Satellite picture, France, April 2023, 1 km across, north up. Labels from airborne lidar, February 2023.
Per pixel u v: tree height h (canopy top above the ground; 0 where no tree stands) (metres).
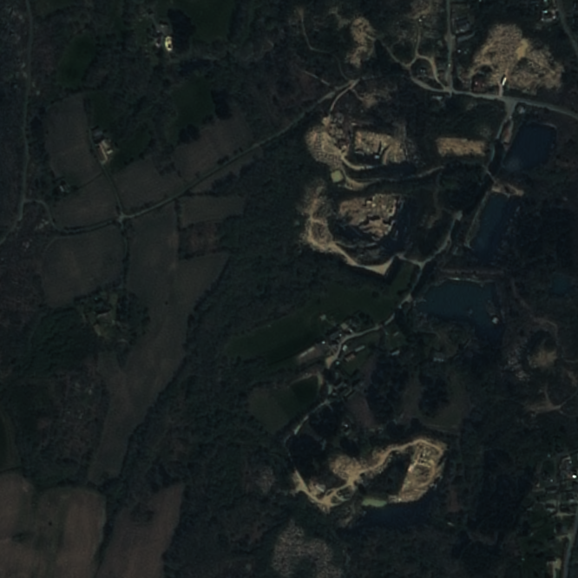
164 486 15
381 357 18
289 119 13
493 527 13
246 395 8
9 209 8
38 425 0
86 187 0
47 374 6
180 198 0
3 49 11
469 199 24
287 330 0
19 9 0
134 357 0
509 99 0
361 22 0
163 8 0
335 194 8
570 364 0
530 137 0
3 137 19
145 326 10
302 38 8
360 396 0
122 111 7
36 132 16
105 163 0
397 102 8
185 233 9
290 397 0
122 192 0
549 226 17
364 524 6
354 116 0
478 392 12
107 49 10
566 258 15
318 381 0
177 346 0
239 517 11
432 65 0
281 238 16
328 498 0
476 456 6
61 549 0
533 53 0
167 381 0
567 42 8
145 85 18
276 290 13
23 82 0
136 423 0
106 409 12
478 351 12
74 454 9
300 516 7
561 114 0
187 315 0
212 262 0
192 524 21
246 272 15
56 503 0
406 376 14
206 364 18
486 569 11
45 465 14
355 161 7
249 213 10
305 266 15
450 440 9
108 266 0
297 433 0
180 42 20
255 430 12
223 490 11
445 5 7
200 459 14
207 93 0
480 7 7
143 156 8
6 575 0
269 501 9
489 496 23
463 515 12
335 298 0
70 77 0
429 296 0
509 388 14
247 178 14
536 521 0
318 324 0
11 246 0
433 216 0
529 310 0
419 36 0
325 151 0
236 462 9
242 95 10
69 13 12
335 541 7
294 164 13
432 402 23
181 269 0
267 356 0
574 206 0
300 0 0
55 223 6
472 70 0
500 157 14
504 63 0
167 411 9
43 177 8
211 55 17
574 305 0
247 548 9
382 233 0
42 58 5
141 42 0
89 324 9
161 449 0
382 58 17
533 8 7
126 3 7
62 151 0
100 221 0
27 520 0
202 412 8
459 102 7
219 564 13
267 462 10
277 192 9
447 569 15
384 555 10
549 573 0
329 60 9
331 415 15
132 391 0
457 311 0
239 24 31
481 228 6
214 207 0
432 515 11
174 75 16
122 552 0
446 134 8
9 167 13
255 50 18
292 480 8
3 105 18
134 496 16
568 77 6
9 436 0
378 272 0
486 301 0
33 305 9
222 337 17
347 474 0
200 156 0
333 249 0
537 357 0
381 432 7
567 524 0
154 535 0
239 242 6
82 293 0
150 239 0
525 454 6
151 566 0
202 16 0
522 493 14
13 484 0
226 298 11
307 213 0
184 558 16
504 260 10
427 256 6
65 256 0
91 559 0
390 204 0
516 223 10
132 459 8
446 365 13
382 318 0
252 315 13
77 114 0
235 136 0
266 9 15
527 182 8
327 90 6
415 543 6
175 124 0
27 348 10
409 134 7
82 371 6
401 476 10
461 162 11
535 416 0
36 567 0
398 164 0
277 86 9
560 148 0
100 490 7
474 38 7
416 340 6
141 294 0
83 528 0
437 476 0
